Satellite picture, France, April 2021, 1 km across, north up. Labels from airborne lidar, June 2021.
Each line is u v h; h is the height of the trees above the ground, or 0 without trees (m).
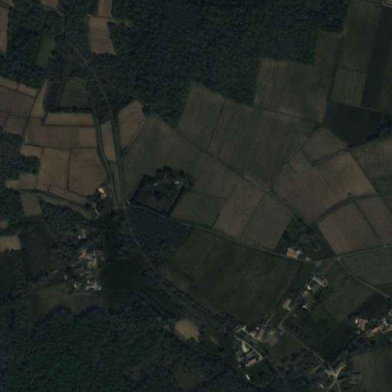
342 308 0
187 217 0
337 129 0
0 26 0
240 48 17
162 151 0
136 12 22
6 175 21
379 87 0
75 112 18
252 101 16
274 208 0
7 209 22
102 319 20
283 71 0
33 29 11
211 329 10
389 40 0
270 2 19
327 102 0
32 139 0
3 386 21
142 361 24
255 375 0
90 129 0
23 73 21
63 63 18
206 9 14
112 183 0
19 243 0
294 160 0
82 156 0
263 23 26
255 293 0
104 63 21
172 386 22
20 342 20
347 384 10
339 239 0
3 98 0
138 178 0
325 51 0
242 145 0
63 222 23
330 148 0
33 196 0
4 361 20
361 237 0
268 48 17
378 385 0
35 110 0
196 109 0
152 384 21
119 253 15
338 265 0
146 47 23
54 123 0
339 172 0
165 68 25
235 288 0
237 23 12
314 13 21
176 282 0
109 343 20
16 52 18
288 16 21
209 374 15
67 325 19
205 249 0
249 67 17
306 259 0
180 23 18
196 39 23
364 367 0
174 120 23
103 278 0
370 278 0
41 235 0
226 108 0
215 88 22
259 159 0
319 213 0
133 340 23
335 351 0
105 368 24
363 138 0
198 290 0
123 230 22
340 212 0
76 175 0
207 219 0
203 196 0
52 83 16
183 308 19
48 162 0
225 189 0
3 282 0
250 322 0
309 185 0
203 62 20
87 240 9
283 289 0
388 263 0
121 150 0
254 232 0
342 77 0
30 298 0
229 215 0
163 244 23
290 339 0
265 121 0
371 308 0
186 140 0
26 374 25
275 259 0
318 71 0
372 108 0
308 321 0
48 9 0
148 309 17
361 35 0
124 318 21
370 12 0
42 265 0
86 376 22
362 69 0
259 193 0
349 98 0
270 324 0
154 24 24
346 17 17
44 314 0
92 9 16
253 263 0
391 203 0
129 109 0
